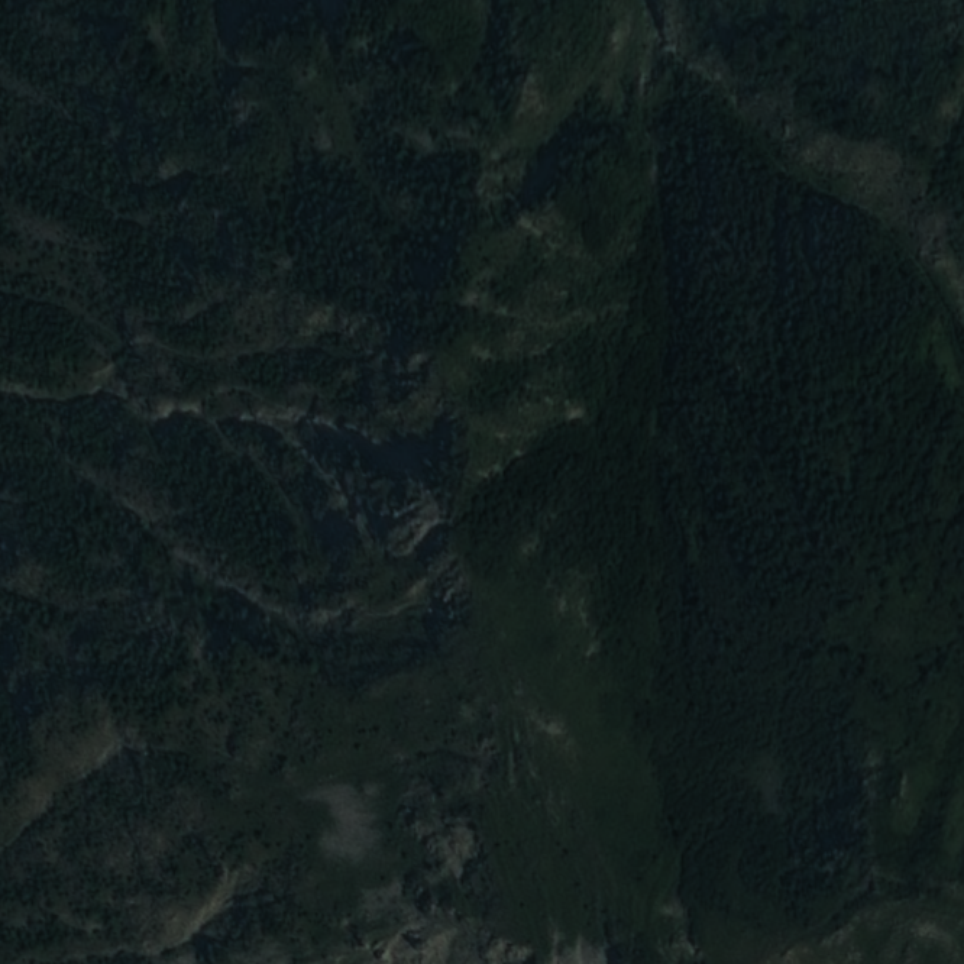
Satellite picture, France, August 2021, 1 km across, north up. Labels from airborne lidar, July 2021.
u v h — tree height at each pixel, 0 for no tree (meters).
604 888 0
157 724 6
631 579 11
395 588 8
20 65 7
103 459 7
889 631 0
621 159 17
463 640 0
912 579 6
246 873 6
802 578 11
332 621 0
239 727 7
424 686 0
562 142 8
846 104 9
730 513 13
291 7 7
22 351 9
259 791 0
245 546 6
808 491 11
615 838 0
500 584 0
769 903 0
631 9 0
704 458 10
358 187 10
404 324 7
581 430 16
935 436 8
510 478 12
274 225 8
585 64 8
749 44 20
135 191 6
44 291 7
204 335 9
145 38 10
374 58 7
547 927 0
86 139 8
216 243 5
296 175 6
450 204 9
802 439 13
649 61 0
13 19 8
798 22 6
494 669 0
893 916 0
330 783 0
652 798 0
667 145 6
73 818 8
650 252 6
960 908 0
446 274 6
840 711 6
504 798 0
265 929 7
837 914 0
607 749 0
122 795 6
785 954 0
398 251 14
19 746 7
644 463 9
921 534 11
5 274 9
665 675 8
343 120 0
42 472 8
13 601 7
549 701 0
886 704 7
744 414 9
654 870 0
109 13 7
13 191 7
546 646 0
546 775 0
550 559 7
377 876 0
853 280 9
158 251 8
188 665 9
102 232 7
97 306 8
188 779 5
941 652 9
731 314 9
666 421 7
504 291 6
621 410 13
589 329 10
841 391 7
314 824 0
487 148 8
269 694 0
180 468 6
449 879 0
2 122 6
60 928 7
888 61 6
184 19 6
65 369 6
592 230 15
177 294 10
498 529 8
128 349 8
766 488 16
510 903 0
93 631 7
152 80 13
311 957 0
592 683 0
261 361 8
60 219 6
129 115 12
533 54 7
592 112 10
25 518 6
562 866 0
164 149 9
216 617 7
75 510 8
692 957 0
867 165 0
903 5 8
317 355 8
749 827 7
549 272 9
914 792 0
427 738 6
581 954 0
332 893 0
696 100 8
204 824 0
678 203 13
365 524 0
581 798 0
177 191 8
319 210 8
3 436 7
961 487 6
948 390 8
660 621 7
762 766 0
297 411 0
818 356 12
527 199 7
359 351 8
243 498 14
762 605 9
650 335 10
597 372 8
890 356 13
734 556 11
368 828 0
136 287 7
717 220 19
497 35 6
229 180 8
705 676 6
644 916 0
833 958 0
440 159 7
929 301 10
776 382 7
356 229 10
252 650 10
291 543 11
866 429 12
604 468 13
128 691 7
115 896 6
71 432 11
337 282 9
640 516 12
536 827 0
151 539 12
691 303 13
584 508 8
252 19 17
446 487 9
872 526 9
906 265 14
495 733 0
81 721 6
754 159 17
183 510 7
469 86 13
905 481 9
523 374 8
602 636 6
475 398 9
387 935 0
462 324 13
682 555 7
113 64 11
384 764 0
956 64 14
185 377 8
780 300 12
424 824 0
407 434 0
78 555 7
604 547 9
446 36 7
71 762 0
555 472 8
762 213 13
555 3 15
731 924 0
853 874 0
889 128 6
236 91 8
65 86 7
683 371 13
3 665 8
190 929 0
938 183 11
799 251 14
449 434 6
